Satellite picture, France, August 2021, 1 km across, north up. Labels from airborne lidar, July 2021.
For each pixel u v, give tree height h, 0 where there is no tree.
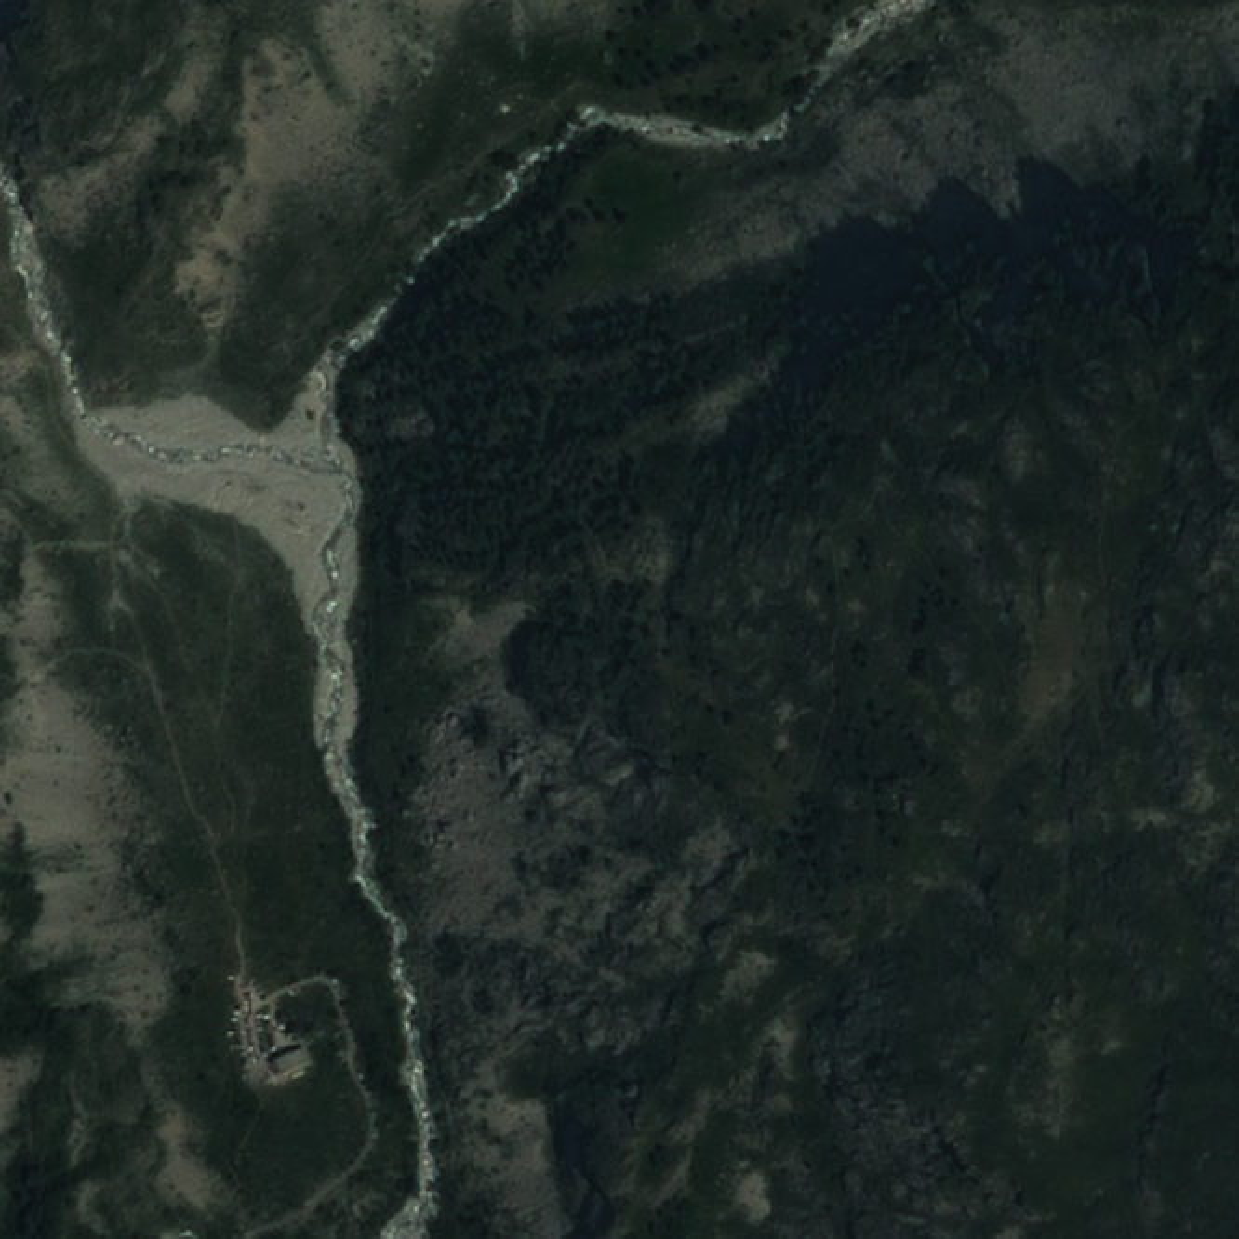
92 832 0
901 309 24
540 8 0
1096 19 0
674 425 11
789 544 0
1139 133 0
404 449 12
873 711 10
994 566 0
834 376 7
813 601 0
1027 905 0
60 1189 8
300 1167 0
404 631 0
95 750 0
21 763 0
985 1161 0
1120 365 0
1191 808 0
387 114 0
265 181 0
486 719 8
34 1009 6
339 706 0
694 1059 0
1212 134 7
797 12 0
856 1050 0
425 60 0
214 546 0
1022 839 0
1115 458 0
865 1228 0
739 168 0
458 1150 0
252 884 0
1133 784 0
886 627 0
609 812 0
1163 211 8
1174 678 0
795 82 10
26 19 0
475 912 0
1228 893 0
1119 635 0
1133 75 0
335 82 0
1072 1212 0
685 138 0
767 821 0
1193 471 0
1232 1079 0
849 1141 0
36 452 0
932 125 0
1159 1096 0
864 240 9
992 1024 0
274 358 0
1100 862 0
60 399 0
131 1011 0
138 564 0
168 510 0
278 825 0
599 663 0
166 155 0
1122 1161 0
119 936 0
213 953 0
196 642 0
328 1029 0
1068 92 0
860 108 0
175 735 0
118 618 0
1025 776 0
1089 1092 0
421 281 7
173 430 0
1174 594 0
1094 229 6
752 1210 0
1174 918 0
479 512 21
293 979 5
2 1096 0
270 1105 0
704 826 0
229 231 0
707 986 0
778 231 0
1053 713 0
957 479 0
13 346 0
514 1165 0
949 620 0
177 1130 0
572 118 8
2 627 0
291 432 0
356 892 9
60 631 0
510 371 23
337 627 0
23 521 0
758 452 10
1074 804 0
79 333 0
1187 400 0
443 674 0
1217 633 0
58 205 0
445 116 0
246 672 0
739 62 0
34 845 0
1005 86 0
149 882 0
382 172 0
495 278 0
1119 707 0
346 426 8
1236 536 0
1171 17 0
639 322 19
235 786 0
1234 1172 0
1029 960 0
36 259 0
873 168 0
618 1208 12
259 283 0
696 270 0
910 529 0
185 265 0
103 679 0
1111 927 0
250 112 0
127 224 0
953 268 8
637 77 0
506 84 0
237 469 0
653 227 0
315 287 0
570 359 20
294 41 0
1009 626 0
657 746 0
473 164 0
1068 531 0
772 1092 0
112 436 0
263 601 0
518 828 0
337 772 0
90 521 0
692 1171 11
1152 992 0
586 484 19
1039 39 0
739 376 0
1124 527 0
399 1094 8
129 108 0
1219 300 8
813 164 0
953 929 0
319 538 0
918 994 0
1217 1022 0
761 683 0
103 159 0
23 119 0
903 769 0
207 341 0
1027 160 0
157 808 0
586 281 0
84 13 0
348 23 0
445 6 0
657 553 0
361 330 0
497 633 0
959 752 0
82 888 0
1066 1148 0
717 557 0
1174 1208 0
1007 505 0
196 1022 0
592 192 0
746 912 0
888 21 0
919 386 0
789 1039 0
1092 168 0
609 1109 0
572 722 6
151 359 0
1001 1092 0
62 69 0
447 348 14
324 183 0
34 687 0
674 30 0
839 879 0
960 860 0
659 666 0
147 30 0
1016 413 0
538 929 0
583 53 0
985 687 0
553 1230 0
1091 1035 0
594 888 0
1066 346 0
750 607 0
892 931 0
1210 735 0
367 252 0
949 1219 0
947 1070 0
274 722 0
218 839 0
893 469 0
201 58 0
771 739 0
